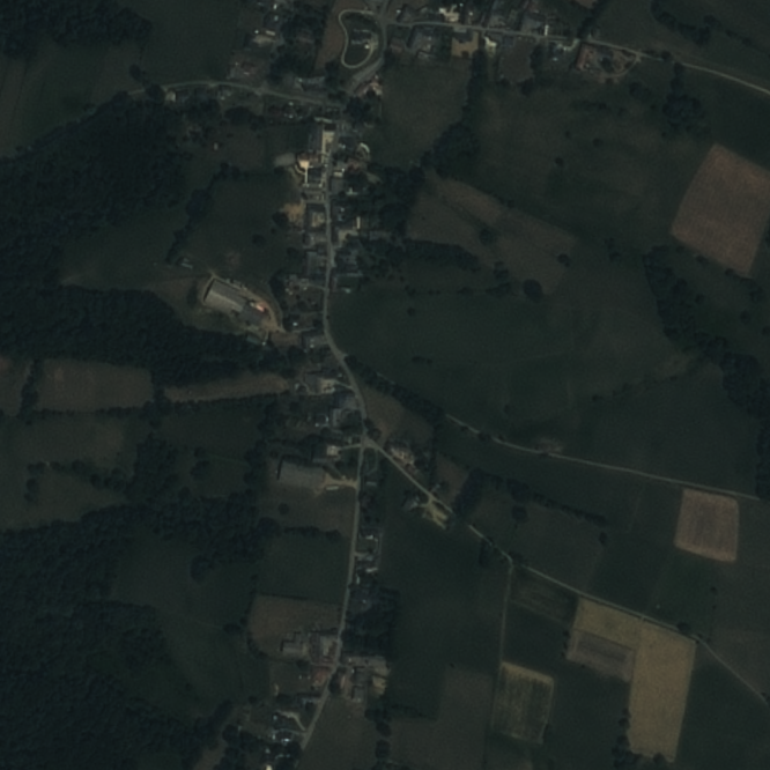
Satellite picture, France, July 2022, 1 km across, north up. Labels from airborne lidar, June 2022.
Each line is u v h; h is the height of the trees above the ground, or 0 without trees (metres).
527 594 0
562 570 0
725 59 0
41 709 26
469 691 0
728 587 0
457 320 0
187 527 29
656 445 0
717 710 0
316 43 14
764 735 0
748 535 0
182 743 24
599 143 7
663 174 0
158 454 16
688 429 0
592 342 0
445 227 0
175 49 0
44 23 23
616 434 0
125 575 0
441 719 0
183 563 0
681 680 0
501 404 0
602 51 0
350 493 0
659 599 0
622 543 0
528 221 0
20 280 30
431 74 0
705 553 0
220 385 0
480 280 0
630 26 0
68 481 0
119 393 0
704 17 0
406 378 0
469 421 0
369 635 9
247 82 0
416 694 0
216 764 0
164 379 20
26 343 24
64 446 0
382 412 0
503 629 0
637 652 0
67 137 23
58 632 24
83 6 23
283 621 0
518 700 0
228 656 0
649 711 0
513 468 0
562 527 0
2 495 0
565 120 0
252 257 0
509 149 0
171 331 35
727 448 0
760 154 0
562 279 0
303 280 0
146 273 0
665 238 0
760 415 27
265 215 0
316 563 0
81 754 33
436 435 7
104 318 29
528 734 0
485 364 0
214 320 0
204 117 18
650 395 0
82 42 17
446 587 0
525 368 0
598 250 0
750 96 0
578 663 0
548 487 0
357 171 9
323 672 0
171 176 16
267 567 0
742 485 0
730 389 24
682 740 0
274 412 18
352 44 0
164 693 0
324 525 0
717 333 0
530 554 0
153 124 25
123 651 8
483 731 0
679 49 0
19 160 15
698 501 0
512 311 0
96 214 12
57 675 20
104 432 0
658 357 0
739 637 0
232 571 0
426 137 0
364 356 0
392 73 0
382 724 11
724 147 0
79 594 17
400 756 0
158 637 10
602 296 0
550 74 0
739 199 0
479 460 0
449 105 0
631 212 0
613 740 0
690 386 0
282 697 11
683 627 15
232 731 14
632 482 0
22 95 0
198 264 0
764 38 0
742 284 7
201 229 0
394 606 15
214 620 0
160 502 15
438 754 0
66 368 0
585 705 0
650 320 0
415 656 0
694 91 0
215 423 0
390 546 0
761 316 0
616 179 0
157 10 0
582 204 0
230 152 0
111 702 37
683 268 0
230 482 0
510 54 0
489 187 0
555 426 0
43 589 22
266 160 0
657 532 0
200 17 0
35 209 18
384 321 0
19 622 25
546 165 0
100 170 25
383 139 0
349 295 0
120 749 26
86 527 19
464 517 18
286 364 13
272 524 20
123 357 18
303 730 0
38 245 26
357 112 14
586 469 0
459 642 0
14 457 0
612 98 0
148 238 0
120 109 20
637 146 0
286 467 0
